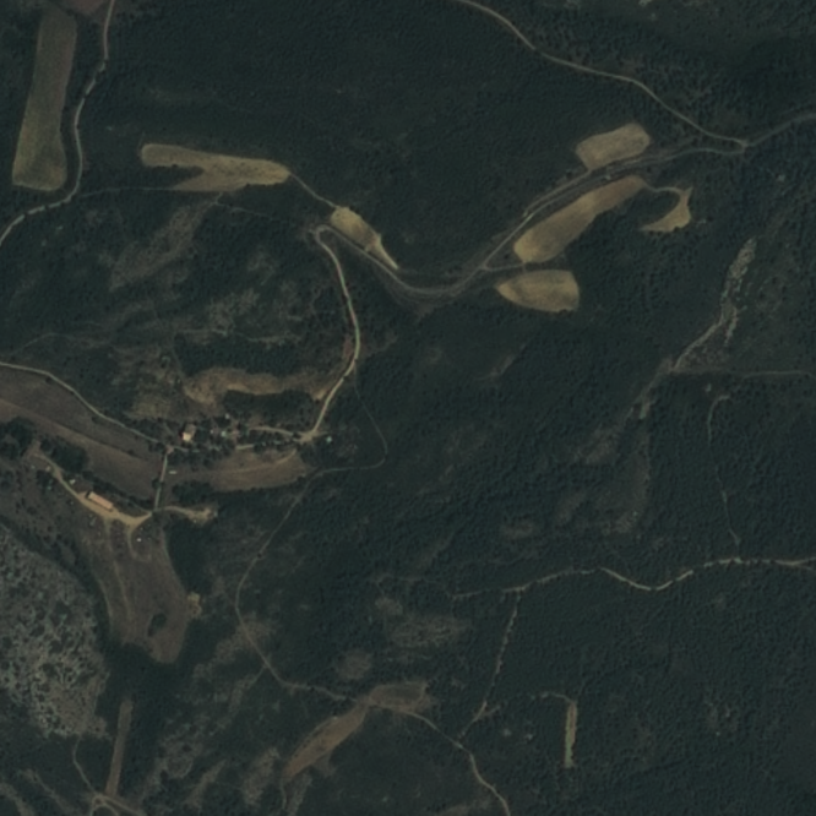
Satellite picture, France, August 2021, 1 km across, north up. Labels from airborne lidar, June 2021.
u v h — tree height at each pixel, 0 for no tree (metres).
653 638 8
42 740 0
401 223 0
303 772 0
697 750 11
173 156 0
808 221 11
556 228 0
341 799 0
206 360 10
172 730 0
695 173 0
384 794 0
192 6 7
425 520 10
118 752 0
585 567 8
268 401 0
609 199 0
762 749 9
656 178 0
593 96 6
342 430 0
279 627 0
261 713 0
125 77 7
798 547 6
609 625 7
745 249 0
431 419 6
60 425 0
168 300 0
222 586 0
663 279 9
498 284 0
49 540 8
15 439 9
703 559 9
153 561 0
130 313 0
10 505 0
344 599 8
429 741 7
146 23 7
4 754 8
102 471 0
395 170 8
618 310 6
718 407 6
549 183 9
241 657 0
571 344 11
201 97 0
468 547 10
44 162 0
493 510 8
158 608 0
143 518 0
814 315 9
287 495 0
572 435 7
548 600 10
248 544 0
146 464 0
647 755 10
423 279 0
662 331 0
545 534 6
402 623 0
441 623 0
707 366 0
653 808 7
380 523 7
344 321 8
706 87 9
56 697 0
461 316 0
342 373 0
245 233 5
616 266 7
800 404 8
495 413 6
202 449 12
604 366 6
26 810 0
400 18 6
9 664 0
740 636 10
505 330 0
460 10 6
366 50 0
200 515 0
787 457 7
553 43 11
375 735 0
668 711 10
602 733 6
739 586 8
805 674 7
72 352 0
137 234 8
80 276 0
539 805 9
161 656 0
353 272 0
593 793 8
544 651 8
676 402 0
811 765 0
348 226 0
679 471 10
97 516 0
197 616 0
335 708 7
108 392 0
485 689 10
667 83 11
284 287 0
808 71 8
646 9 0
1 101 6
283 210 0
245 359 8
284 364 9
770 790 9
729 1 0
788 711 6
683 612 10
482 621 7
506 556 7
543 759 7
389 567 9
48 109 0
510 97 5
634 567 8
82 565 8
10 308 0
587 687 7
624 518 0
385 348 0
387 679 9
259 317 0
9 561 0
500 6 9
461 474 7
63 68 0
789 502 7
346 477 6
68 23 0
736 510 10
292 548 0
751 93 12
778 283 10
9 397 0
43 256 8
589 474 7
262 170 0
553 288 0
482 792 0
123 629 0
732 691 9
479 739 8
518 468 12
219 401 0
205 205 0
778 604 9
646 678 9
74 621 0
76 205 9
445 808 9
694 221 0
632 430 10
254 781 0
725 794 9
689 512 8
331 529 11
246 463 0
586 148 0
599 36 11
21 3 0
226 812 6
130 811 0
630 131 0
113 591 0
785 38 7
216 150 0
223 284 6
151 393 0
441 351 0
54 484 6
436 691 9
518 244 0
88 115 0
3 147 5
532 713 9
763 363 0
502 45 7
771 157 9
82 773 0
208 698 0
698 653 7
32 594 0
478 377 0
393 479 0
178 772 0
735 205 9
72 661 0
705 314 0
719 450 11
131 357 0
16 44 7
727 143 9
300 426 6
